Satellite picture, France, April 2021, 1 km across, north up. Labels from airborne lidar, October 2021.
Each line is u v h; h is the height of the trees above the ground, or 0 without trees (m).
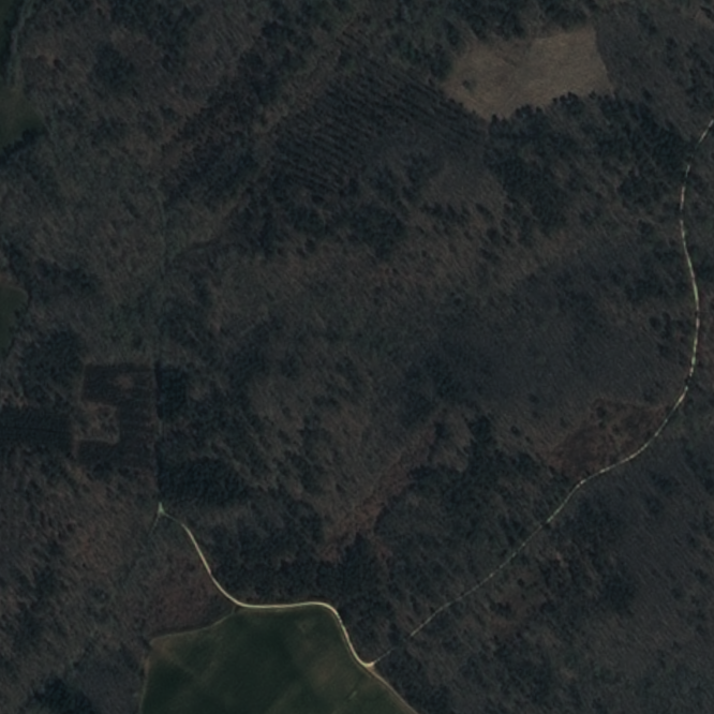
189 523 16
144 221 16
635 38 13
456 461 12
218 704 0
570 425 12
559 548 22
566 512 17
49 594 22
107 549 13
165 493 22
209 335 15
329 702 0
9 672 25
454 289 24
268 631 0
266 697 0
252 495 24
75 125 29
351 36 9
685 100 6
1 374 9
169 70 13
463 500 24
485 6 17
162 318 22
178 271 18
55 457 15
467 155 12
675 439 15
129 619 10
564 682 17
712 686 19
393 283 15
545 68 0
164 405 19
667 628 16
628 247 15
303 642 0
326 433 15
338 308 23
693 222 17
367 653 16
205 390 18
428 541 20
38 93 20
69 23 13
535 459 12
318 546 23
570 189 15
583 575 22
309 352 18
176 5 29
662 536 18
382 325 23
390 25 10
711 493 23
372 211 17
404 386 17
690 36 12
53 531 8
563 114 23
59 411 11
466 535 19
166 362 19
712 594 16
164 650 0
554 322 18
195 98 24
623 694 19
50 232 20
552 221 21
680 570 18
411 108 15
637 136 12
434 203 13
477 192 16
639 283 14
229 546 13
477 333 17
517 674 16
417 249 18
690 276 11
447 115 8
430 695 20
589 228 28
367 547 24
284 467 21
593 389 14
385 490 6
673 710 24
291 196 10
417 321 21
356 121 8
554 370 19
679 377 14
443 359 17
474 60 0
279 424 18
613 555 19
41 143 23
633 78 14
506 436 14
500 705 17
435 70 27
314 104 8
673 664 16
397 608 14
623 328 13
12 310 0
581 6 19
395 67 10
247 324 16
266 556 22
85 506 13
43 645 16
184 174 8
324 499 15
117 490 14
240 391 25
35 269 14
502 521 15
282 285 17
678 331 18
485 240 13
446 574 21
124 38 11
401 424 16
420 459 8
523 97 0
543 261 16
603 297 17
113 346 21
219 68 18
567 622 19
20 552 12
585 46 0
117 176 24
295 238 15
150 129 17
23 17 21
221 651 0
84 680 19
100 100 18
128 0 22
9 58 23
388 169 17
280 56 28
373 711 0
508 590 17
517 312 15
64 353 25
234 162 17
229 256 21
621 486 17
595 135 19
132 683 15
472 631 16
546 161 30
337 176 6
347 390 16
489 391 19
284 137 11
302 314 21
